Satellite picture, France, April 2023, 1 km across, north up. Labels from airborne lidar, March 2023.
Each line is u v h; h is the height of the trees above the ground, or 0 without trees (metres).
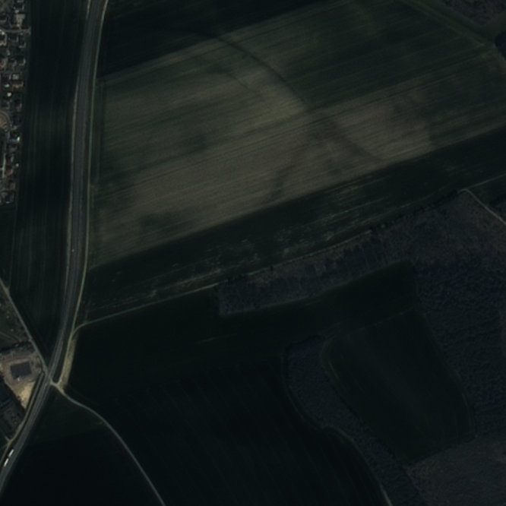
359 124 0
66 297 0
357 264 7
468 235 9
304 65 0
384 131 0
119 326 0
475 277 14
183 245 0
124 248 0
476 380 12
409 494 13
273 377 0
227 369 0
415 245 15
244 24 0
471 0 0
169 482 0
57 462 0
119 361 0
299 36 0
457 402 0
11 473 0
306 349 16
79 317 0
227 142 0
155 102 0
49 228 0
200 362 0
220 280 0
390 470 14
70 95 0
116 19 0
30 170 0
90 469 0
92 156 0
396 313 0
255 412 0
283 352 0
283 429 0
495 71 0
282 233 0
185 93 0
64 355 0
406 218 11
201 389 0
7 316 0
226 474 0
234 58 0
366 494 0
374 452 15
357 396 0
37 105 0
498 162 0
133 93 0
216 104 0
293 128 0
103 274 0
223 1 0
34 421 0
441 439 0
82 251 0
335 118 0
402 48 0
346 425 12
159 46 0
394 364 0
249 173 0
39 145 0
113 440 0
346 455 0
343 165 0
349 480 0
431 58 0
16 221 0
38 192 0
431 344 0
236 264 0
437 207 12
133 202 0
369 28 0
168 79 0
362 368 0
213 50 0
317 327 0
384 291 0
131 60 0
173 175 0
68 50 0
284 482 0
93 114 0
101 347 0
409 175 0
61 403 0
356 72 0
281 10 0
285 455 0
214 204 0
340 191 0
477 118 0
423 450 0
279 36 0
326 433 0
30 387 0
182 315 0
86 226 0
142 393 0
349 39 0
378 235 12
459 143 0
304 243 0
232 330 0
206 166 0
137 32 0
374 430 0
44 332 0
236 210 0
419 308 0
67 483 0
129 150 0
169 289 0
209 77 0
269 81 0
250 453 0
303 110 0
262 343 0
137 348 0
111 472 0
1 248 0
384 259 13
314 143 0
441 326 13
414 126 0
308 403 14
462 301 14
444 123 0
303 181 0
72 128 0
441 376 0
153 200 0
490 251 12
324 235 0
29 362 0
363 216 0
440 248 13
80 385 0
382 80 0
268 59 0
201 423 0
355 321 0
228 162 0
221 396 0
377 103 0
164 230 0
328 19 0
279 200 0
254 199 0
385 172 0
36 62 0
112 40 0
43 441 0
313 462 0
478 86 0
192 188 0
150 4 0
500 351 14
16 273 0
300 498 0
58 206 0
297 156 0
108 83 0
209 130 0
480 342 14
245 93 0
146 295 0
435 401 0
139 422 0
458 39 0
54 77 0
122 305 0
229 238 0
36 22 0
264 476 0
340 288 0
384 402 0
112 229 0
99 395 0
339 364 0
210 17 0
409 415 0
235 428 0
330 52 0
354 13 0
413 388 0
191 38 0
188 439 0
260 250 0
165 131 0
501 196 0
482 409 10
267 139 0
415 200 0
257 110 0
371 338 0
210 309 0
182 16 0
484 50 0
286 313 0
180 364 0
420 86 0
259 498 0
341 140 0
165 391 0
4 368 0
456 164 0
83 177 0
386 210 0
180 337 0
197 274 0
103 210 0
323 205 0
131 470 0
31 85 0
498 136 0
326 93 0
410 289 0
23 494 0
